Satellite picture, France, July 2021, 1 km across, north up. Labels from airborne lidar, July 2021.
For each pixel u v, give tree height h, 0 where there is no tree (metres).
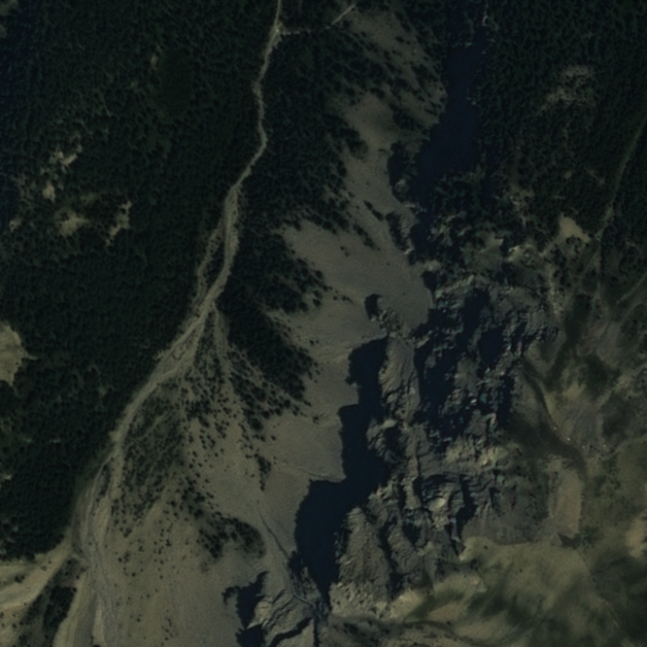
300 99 24
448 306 0
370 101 0
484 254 0
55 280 20
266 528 0
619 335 0
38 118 17
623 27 27
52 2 12
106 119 25
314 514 0
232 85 23
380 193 0
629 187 11
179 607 0
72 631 0
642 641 0
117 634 0
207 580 0
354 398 0
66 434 15
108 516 0
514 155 13
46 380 10
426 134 12
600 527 0
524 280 0
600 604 0
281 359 15
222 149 10
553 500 0
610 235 8
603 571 0
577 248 6
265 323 14
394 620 0
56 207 11
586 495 0
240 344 14
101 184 18
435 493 0
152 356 7
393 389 0
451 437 0
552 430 0
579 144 10
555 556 0
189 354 0
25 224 18
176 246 11
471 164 6
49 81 21
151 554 0
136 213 19
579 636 0
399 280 0
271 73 14
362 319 0
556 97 0
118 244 21
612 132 9
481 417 0
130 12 18
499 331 0
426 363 0
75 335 14
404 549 0
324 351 0
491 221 9
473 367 0
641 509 0
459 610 0
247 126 12
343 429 0
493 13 11
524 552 0
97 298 21
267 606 0
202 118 17
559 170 12
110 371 16
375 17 0
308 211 10
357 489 0
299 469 0
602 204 8
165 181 11
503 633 0
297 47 15
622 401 0
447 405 0
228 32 24
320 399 0
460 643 0
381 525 0
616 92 17
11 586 0
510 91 14
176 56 8
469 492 0
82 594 0
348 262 0
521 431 0
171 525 0
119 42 21
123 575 0
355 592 0
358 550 0
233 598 0
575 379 0
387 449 0
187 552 0
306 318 0
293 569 0
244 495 0
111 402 19
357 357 0
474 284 0
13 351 0
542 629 0
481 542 0
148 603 0
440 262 11
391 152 0
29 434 13
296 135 13
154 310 8
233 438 0
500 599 0
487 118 17
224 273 0
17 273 21
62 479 14
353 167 0
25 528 10
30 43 18
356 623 0
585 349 0
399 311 0
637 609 0
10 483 11
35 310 8
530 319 0
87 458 11
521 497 0
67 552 0
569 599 0
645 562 0
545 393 0
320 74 14
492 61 9
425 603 0
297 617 0
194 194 17
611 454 0
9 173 9
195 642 0
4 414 16
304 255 0
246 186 11
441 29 19
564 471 0
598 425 0
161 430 0
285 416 0
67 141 15
